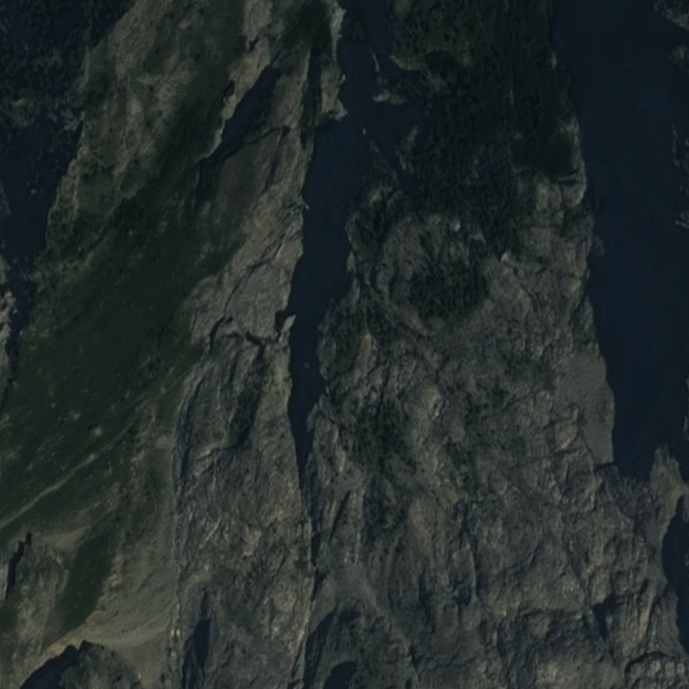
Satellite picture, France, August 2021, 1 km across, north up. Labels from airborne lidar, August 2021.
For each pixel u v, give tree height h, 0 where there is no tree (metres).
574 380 0
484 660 0
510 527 0
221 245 0
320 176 0
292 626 0
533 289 0
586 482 0
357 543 0
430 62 12
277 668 0
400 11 0
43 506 0
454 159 7
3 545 0
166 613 0
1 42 9
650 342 0
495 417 0
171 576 0
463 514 0
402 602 0
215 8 0
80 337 0
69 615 0
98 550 0
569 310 0
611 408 0
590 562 0
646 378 0
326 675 0
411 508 0
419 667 0
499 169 7
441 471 0
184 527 0
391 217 11
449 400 0
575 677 0
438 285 11
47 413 0
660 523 0
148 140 0
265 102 11
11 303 0
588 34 6
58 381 0
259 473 0
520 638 0
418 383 0
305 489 0
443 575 0
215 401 0
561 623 0
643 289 0
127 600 0
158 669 0
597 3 0
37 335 0
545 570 0
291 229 0
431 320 9
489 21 6
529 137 6
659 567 0
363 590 0
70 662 0
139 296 0
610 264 0
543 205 0
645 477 0
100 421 0
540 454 0
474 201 12
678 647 0
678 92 8
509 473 0
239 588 0
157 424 0
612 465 0
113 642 0
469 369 0
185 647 0
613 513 0
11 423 0
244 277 0
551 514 0
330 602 0
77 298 0
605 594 0
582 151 0
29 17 14
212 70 0
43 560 0
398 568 0
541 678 0
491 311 0
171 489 0
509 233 10
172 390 0
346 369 0
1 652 0
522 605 0
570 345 0
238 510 0
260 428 0
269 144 0
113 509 0
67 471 0
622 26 0
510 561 0
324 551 0
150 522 0
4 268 0
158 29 9
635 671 0
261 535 0
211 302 0
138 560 0
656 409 0
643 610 0
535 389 0
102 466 0
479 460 0
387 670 0
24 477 0
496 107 5
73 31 7
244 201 0
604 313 0
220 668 0
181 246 0
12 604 0
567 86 5
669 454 0
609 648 0
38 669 0
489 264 0
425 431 0
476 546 0
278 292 0
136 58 0
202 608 0
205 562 0
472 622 0
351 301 0
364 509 0
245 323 0
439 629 0
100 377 0
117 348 0
